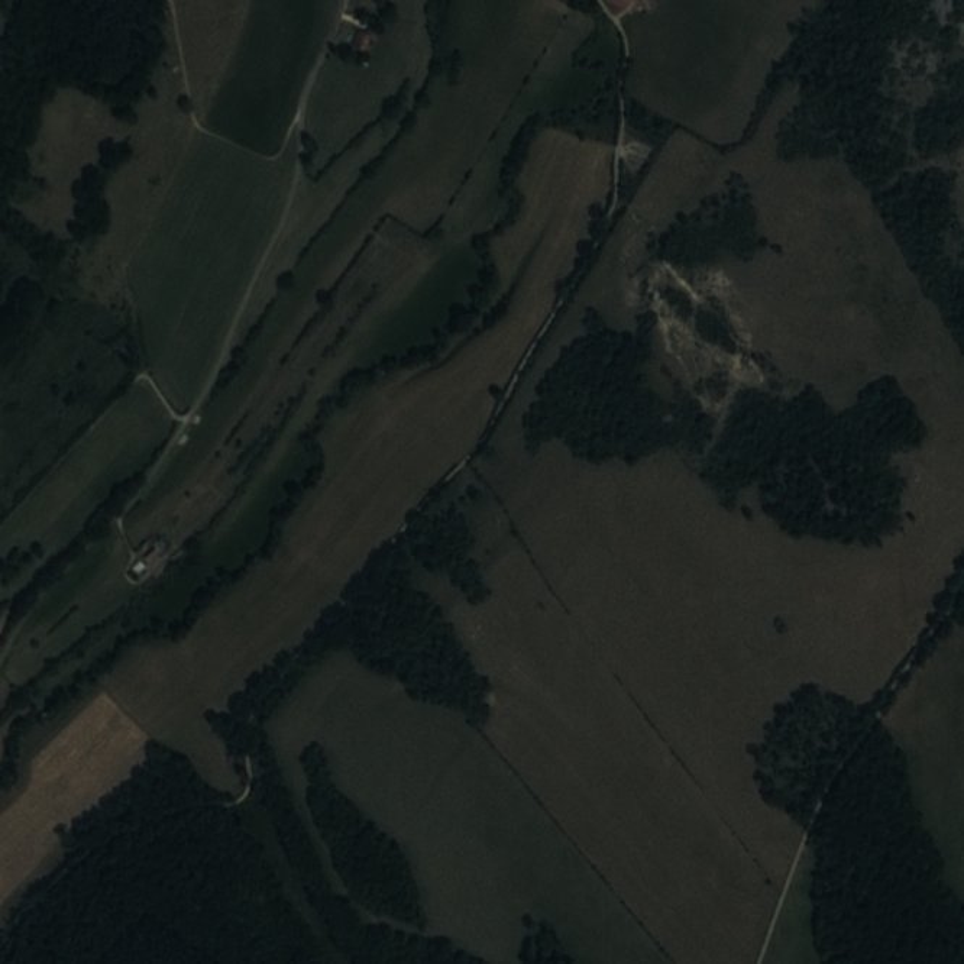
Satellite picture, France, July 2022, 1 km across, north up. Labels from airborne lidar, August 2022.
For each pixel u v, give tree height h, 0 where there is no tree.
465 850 0
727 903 0
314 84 0
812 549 0
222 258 0
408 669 12
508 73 0
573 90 0
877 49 7
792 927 0
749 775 0
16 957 16
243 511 0
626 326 0
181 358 0
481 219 0
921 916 20
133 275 0
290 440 0
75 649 8
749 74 0
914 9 8
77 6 23
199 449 0
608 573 0
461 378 0
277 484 0
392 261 0
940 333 0
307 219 0
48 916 14
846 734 15
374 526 0
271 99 0
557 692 0
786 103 0
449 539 8
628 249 0
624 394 9
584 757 0
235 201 0
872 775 15
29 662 0
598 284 0
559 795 0
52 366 0
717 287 0
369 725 0
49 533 0
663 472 0
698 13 0
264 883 12
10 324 23
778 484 15
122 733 0
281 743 0
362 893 11
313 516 0
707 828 0
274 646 0
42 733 0
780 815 0
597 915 0
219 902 12
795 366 0
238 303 0
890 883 19
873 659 0
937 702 0
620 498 0
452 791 0
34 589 16
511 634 0
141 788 16
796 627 0
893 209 7
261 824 0
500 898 0
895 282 0
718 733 0
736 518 0
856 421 10
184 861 14
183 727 0
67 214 0
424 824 0
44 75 20
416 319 0
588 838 0
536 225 0
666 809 0
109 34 27
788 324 0
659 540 0
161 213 0
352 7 0
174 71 0
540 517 0
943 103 8
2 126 24
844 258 0
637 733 0
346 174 0
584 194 0
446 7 11
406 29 0
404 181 0
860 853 18
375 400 0
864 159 10
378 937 14
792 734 17
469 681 11
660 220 0
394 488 0
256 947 11
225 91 0
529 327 0
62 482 0
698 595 0
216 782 0
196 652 0
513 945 0
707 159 0
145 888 16
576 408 8
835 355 0
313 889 17
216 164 0
